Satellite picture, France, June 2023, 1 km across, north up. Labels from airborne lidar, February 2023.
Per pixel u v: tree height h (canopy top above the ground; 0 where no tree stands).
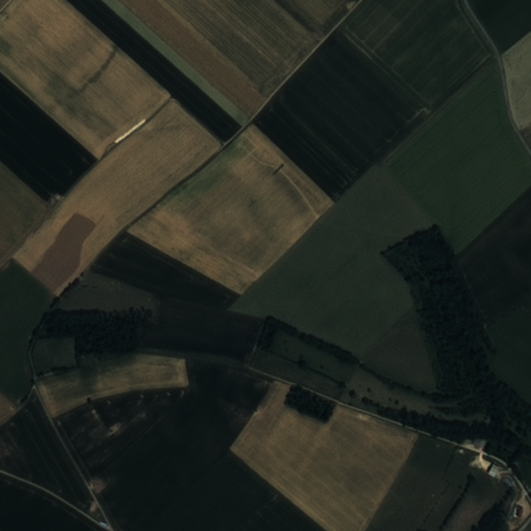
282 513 0
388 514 0
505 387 13
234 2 0
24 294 0
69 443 0
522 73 0
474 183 0
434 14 0
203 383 0
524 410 7
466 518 0
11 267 0
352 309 0
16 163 0
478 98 0
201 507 0
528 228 0
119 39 0
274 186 0
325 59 0
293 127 0
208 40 0
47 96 0
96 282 0
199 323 0
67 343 0
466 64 0
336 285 0
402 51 0
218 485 0
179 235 0
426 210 0
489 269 0
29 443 0
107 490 0
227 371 0
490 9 0
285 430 0
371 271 0
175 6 0
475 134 0
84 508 0
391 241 0
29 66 0
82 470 0
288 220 0
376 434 0
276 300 0
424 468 0
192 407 0
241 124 0
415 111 0
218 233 0
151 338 0
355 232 0
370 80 0
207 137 0
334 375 0
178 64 0
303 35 0
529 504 0
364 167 0
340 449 0
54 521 0
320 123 0
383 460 0
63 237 0
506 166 0
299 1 0
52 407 0
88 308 0
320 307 0
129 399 0
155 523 0
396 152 0
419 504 0
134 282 0
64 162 0
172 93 0
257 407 0
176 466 0
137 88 0
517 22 0
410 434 0
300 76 0
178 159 0
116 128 0
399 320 0
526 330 0
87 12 0
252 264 0
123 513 0
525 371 0
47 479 0
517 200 0
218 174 0
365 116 0
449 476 0
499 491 0
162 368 0
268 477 0
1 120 0
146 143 0
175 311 0
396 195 0
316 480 0
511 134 0
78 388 0
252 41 0
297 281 0
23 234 0
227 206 0
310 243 0
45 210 0
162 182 0
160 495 0
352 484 0
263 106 0
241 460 0
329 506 0
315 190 0
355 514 0
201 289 0
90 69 0
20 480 0
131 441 0
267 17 0
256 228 0
